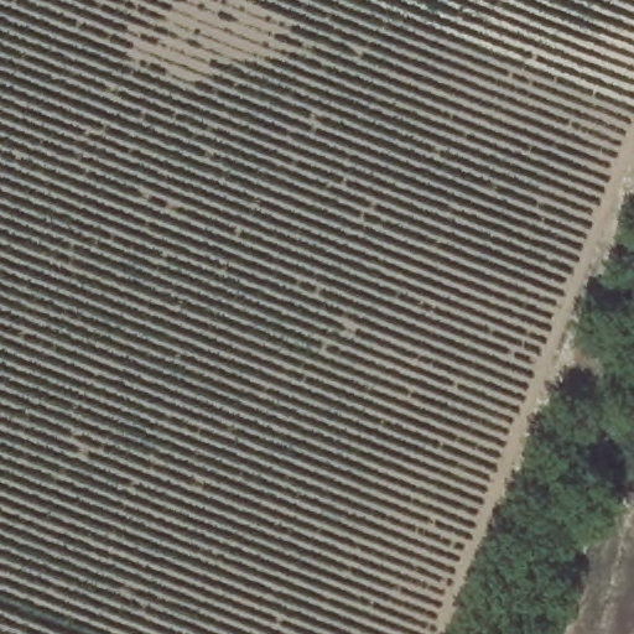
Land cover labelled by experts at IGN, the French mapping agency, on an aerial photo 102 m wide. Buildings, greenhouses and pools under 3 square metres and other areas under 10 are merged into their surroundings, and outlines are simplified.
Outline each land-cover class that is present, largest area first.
<instances>
[{"label":"vineyard","instance_id":"1","mask_svg":"<svg viewBox=\"0 0 634 634\"><path fill-rule=\"evenodd\" d=\"M634 193V0H0V634H456V624L471 609H493L483 602V589L476 582V577H480L483 572L480 565L473 560L476 550L480 547L488 532V523L498 528L503 518L515 520L523 513L525 490L520 480L535 478L540 483H550L567 471V463L560 461L542 443L552 414L562 404L560 394L550 399L547 384L560 381L562 371L570 367L592 369L594 374L604 371L602 362L594 357L599 352L597 332L587 322V317L589 312H599L594 295H602L604 287L597 275H604L607 270L624 198Z\"/></svg>","mask_w":634,"mask_h":634},{"label":"deciduous trees","instance_id":"2","mask_svg":"<svg viewBox=\"0 0 634 634\"><path fill-rule=\"evenodd\" d=\"M604 287L602 295H594L599 312H589L587 317V322L597 332L599 352L594 357L602 362L604 371L594 374L592 369L570 367L562 371L560 381L547 384L550 399L560 394L562 404L552 414L542 443L560 461L567 463V471L550 483H540L535 478L520 480L525 490L523 513L515 520L503 518L498 528L488 523V532L480 547L476 550L473 560L480 565L483 572L480 577H476V582L483 589V602L493 609H471L456 624V634H565V627L577 617L580 609L582 577L589 572V560L584 552L607 542L609 530L617 525L614 518L624 515L622 500L634 493V193L624 198L607 270L604 275H597Z\"/></svg>","mask_w":634,"mask_h":634},{"label":"agricultural land","instance_id":"3","mask_svg":"<svg viewBox=\"0 0 634 634\"><path fill-rule=\"evenodd\" d=\"M624 515L614 518L617 525L609 530L607 542L584 552L589 560V572L582 577L580 609L577 617L565 627V634H634V493L622 500Z\"/></svg>","mask_w":634,"mask_h":634}]
</instances>
